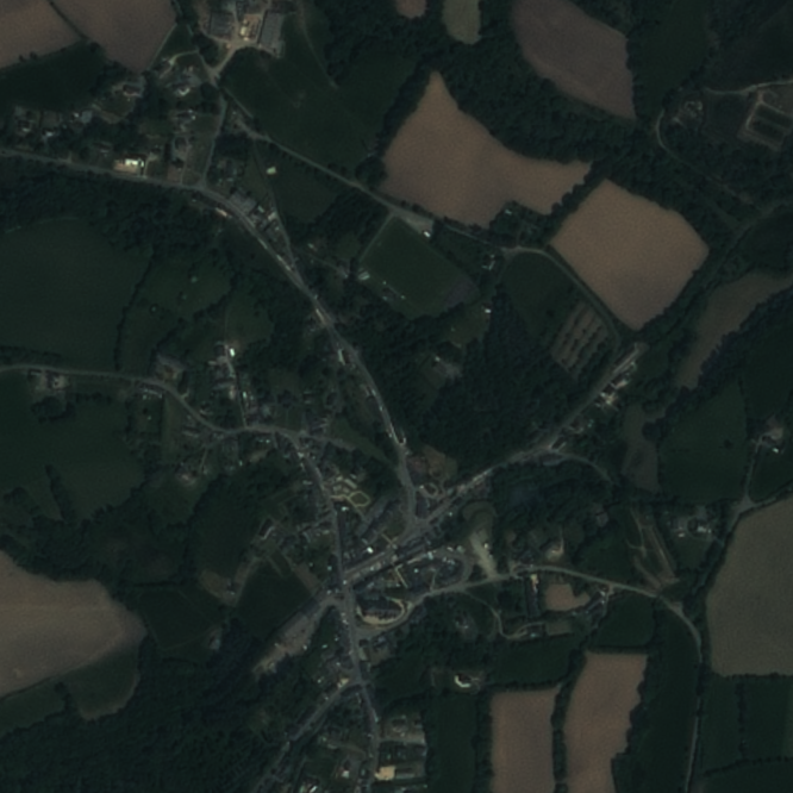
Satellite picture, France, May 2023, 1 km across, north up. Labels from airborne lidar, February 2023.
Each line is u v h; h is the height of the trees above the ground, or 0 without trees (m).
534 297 0
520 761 0
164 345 14
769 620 0
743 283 0
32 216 20
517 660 0
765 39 0
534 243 6
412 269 0
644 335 15
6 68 0
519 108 8
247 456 7
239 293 19
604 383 0
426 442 18
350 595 0
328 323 0
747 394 6
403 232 0
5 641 0
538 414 8
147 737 22
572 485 16
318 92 0
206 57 14
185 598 0
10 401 0
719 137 0
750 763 7
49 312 0
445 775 0
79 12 0
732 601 0
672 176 22
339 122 0
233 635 20
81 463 0
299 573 0
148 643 12
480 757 6
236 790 10
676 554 10
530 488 8
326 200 0
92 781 14
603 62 0
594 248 0
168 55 0
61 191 22
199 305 0
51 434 0
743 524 0
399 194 0
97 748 23
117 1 0
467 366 9
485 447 17
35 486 0
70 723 14
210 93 16
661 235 0
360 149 0
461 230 16
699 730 6
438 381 0
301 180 0
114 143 15
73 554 14
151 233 29
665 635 6
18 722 0
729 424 0
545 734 0
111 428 0
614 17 17
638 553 0
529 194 0
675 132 16
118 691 0
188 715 20
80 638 0
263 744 12
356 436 0
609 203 0
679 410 16
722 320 0
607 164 21
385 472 24
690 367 0
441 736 0
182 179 0
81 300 0
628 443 0
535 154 18
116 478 0
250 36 0
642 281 0
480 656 8
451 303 0
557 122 23
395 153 0
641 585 12
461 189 0
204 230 6
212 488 16
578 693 0
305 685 15
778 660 0
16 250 0
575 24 0
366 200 7
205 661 0
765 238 0
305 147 0
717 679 6
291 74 0
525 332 13
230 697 38
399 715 11
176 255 22
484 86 10
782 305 22
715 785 0
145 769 19
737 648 0
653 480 0
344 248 0
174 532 14
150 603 0
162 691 14
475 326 0
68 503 16
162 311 8
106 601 0
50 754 24
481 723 10
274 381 0
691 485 0
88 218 18
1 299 0
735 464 0
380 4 21
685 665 0
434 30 19
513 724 0
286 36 0
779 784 0
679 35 0
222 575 0
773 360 0
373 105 0
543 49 0
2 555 19
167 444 0
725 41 11
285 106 0
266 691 22
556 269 0
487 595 0
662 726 0
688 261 0
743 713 20
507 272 0
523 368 23
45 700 0
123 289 0
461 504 0
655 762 0
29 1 0
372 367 8
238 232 0
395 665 6
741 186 14
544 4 0
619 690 0
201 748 7
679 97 16
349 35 23
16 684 0
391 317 10
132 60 0
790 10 0
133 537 0
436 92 0
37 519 15
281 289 22
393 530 0
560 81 0
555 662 0
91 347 0
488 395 8
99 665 0
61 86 0
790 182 14
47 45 0
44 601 0
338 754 7
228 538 0
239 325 0
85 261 0
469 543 0
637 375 0
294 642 0
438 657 0
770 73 0
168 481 0
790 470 0
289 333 20
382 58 0
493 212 0
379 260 0
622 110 0
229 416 7
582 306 0
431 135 0
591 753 0
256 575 0
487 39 14
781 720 0
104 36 0
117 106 0
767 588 0
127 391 0
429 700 13
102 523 11
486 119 23
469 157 0
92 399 8
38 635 0
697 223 18
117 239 19
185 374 9
